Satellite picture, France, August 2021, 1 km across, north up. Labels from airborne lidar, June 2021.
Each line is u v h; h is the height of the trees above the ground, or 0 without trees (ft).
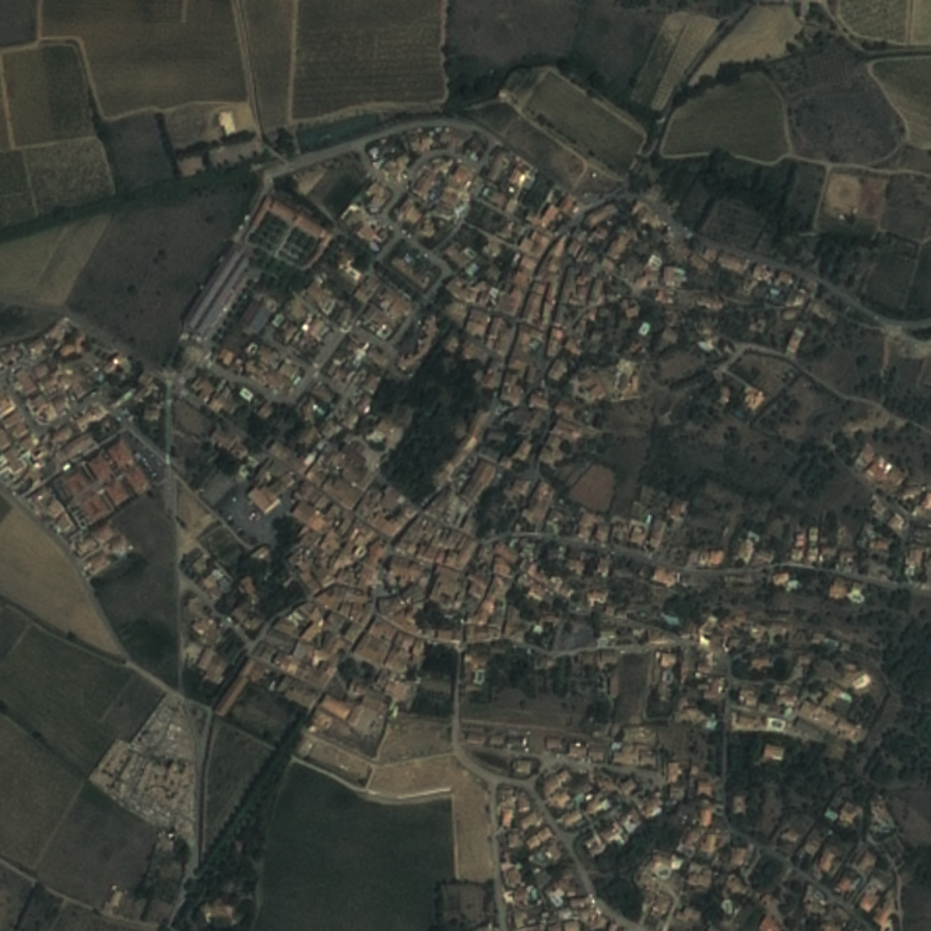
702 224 34
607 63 0
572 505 21
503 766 0
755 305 22
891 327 0
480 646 23
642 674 0
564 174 0
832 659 24
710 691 0
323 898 0
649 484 20
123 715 0
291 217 0
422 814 0
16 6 0
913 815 0
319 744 0
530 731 0
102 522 20
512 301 0
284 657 0
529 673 49
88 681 0
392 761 0
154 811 0
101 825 0
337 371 0
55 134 0
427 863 0
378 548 0
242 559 34
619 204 26
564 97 0
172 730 0
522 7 0
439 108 0
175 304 0
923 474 0
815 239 0
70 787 0
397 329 0
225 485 0
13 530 0
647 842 24
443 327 26
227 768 0
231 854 42
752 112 0
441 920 27
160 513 0
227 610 29
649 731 0
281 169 0
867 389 32
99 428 35
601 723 30
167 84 0
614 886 29
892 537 21
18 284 0
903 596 33
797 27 0
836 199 0
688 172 0
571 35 0
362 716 0
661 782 0
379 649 0
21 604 0
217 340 25
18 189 0
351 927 0
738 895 27
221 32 0
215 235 0
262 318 0
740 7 27
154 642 0
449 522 0
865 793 25
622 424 0
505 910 0
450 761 0
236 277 0
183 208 0
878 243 21
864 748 24
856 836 24
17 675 0
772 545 28
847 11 0
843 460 21
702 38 0
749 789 28
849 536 0
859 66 0
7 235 22
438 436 34
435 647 30
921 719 26
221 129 0
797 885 34
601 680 17
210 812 0
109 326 0
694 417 35
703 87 36
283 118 0
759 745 33
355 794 0
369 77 0
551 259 0
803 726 0
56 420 0
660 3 28
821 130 0
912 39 0
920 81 0
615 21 0
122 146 0
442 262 0
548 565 19
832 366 0
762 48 0
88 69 0
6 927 0
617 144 0
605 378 0
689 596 23
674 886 0
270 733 27
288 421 24
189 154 44
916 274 0
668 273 0
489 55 0
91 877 0
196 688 0
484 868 0
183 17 0
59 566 0
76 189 0
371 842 0
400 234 0
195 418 0
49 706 0
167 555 0
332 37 0
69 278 0
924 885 23
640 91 0
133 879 0
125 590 0
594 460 24
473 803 0
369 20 0
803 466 35
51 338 0
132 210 0
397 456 20
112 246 0
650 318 31
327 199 0
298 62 0
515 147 0
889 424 0
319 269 29
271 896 0
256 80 0
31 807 0
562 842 0
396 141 18
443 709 18
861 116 0
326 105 0
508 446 19
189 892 35
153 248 0
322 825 0
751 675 19
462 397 30
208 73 0
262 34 0
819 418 18
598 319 25
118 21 0
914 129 0
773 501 26
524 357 0
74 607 0
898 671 33
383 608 0
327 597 0
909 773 33
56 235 0
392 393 46
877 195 0
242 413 24
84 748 0
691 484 23
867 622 33
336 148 0
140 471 0
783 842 20
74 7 0
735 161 23
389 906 0
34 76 0
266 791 40
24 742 0
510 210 0
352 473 0
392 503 0
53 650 0
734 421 0
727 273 18
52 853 0
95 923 0
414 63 0
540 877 0
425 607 25
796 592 24
